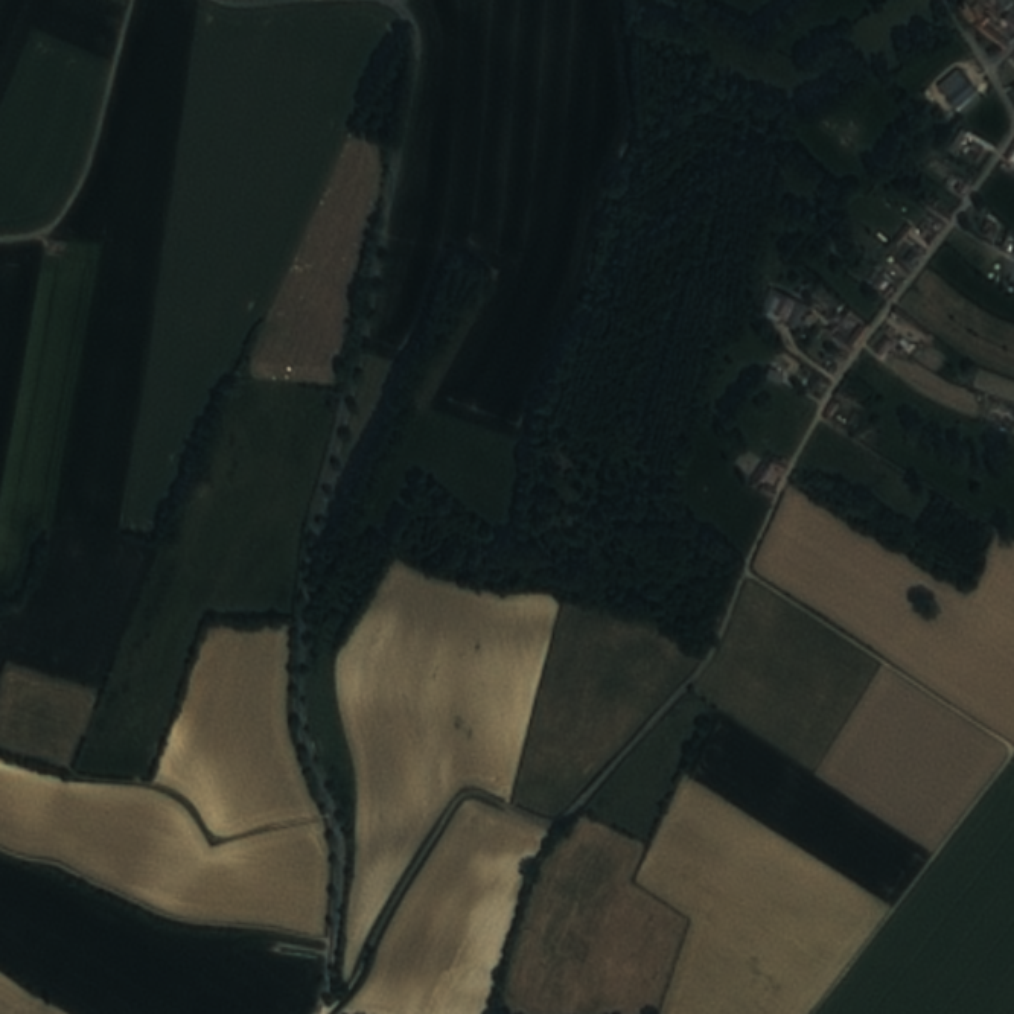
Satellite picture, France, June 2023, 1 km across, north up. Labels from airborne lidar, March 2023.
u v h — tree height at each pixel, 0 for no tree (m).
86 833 0
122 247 0
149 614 0
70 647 0
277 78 0
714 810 0
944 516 11
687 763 8
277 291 0
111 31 0
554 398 16
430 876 0
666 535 26
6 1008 0
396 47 26
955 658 0
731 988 0
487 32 0
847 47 30
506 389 0
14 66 0
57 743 0
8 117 0
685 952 0
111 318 0
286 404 0
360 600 18
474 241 0
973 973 0
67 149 0
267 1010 0
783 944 0
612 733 0
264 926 0
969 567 11
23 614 0
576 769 0
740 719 0
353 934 0
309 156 0
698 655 6
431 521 10
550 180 0
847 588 0
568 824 13
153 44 0
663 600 19
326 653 0
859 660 0
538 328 0
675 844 0
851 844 0
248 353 8
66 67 0
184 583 0
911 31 8
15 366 0
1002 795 0
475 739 0
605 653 0
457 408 0
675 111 24
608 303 21
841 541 0
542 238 0
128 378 0
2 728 0
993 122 0
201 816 0
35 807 0
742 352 0
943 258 0
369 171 0
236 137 0
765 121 22
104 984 0
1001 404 0
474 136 0
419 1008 0
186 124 0
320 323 0
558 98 0
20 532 0
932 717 0
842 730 0
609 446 8
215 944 0
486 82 0
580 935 0
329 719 0
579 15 0
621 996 0
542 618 0
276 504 0
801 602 0
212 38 0
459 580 15
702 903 0
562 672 0
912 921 0
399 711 0
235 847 0
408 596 0
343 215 0
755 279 25
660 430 30
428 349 24
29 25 0
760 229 26
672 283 17
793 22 21
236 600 0
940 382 0
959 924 0
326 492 12
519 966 0
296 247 0
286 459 0
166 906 0
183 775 0
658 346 18
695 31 29
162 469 0
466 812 0
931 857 0
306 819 0
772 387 0
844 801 0
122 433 0
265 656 0
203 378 0
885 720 0
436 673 0
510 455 0
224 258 0
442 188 0
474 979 0
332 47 0
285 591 0
